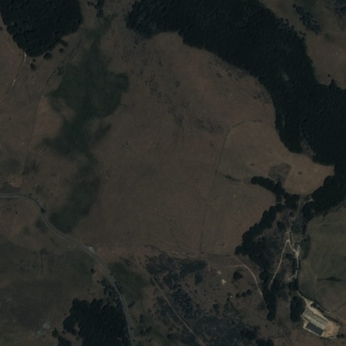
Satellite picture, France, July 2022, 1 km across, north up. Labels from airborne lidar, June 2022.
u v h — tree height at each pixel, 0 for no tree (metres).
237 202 0
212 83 0
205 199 0
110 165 0
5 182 0
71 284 0
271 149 0
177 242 0
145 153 0
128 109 0
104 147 0
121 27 0
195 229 0
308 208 21
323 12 0
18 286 0
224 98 0
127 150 0
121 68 0
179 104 0
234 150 0
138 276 0
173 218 0
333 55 0
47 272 0
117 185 0
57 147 0
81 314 14
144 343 0
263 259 17
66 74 0
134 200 0
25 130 0
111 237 0
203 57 0
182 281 0
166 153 0
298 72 18
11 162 0
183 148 0
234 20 8
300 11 15
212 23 11
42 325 0
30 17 24
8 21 21
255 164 0
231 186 0
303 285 0
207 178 0
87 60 0
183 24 11
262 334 0
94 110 0
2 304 0
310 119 13
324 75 0
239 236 0
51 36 12
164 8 11
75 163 0
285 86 15
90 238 0
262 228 15
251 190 0
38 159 0
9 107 0
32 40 21
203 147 0
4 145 0
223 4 17
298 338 0
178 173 0
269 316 13
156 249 0
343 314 0
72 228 0
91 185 0
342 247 0
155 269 0
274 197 0
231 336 0
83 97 0
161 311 0
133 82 0
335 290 0
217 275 0
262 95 0
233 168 0
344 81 0
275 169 0
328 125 17
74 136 0
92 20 0
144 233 0
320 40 0
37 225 0
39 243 0
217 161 0
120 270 0
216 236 0
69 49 0
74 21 17
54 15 27
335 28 0
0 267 0
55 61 0
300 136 15
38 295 0
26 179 0
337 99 16
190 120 0
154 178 0
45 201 0
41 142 0
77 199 0
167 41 0
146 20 11
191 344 0
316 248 0
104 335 14
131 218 0
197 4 16
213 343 0
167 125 0
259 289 0
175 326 0
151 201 0
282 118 13
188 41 12
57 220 0
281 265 0
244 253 14
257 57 13
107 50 0
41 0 27
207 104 0
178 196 0
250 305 0
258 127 0
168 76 0
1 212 0
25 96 0
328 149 14
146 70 0
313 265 0
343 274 0
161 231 0
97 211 0
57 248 0
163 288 0
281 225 21
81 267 0
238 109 0
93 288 0
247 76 0
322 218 0
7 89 0
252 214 0
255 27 18
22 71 0
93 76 0
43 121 0
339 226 0
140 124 0
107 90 0
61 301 0
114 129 0
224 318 0
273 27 13
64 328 8
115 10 0
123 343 12
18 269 0
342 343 0
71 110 0
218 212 0
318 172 0
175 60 0
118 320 13
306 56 19
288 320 0
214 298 0
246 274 0
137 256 0
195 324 0
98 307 19
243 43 21
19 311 0
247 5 8
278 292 13
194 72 0
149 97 0
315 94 18
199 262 0
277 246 0
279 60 12
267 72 10
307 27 13
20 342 0
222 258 0
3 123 0
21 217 0
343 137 17
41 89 0
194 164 0
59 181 0
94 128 0
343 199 21
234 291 0
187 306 10
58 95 0
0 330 0
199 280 0
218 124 0
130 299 0
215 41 17
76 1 15
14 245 0
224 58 11
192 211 0
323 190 15
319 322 0
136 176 0
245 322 0
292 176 0
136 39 0
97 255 0
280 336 0
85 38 0
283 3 0
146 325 0
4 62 0
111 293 12
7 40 0
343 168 16
